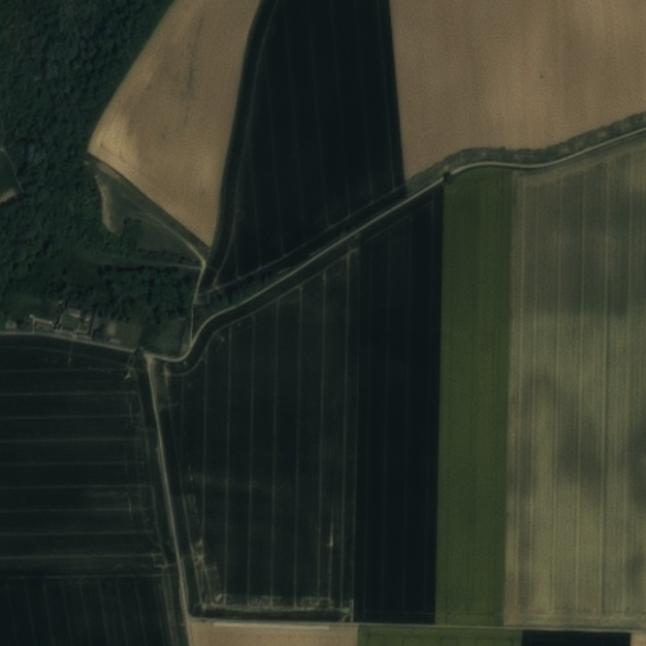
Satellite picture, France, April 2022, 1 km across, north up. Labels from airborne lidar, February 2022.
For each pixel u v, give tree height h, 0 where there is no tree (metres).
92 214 6
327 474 0
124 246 10
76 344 0
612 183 0
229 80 0
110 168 0
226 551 0
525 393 0
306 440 0
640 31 0
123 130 0
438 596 0
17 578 0
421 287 0
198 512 0
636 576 0
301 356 0
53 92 27
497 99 0
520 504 0
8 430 0
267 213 0
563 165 0
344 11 0
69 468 0
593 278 0
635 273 0
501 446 0
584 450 0
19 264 21
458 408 0
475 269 0
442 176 0
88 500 0
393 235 0
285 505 0
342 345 0
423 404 0
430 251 0
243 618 0
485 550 0
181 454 0
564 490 0
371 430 0
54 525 0
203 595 0
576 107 0
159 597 0
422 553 0
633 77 0
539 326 0
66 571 0
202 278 0
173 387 0
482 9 0
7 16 12
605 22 0
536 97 0
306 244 0
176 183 0
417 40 0
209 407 0
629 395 0
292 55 0
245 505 0
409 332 0
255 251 0
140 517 0
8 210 21
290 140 0
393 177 0
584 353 0
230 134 0
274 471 0
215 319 0
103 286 0
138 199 0
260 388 0
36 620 0
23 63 10
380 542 0
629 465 0
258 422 0
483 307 0
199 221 0
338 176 0
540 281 0
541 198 0
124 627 0
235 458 0
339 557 0
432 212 0
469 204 0
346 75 0
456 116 0
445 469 0
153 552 0
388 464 0
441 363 0
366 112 0
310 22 0
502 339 0
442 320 0
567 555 0
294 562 0
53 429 0
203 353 0
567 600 0
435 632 0
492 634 0
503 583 0
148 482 0
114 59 16
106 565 0
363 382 0
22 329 15
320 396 0
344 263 0
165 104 0
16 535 0
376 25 0
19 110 10
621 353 0
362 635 0
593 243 0
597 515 0
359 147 0
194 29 0
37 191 23
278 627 0
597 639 0
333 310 0
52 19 18
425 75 0
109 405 0
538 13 0
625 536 0
